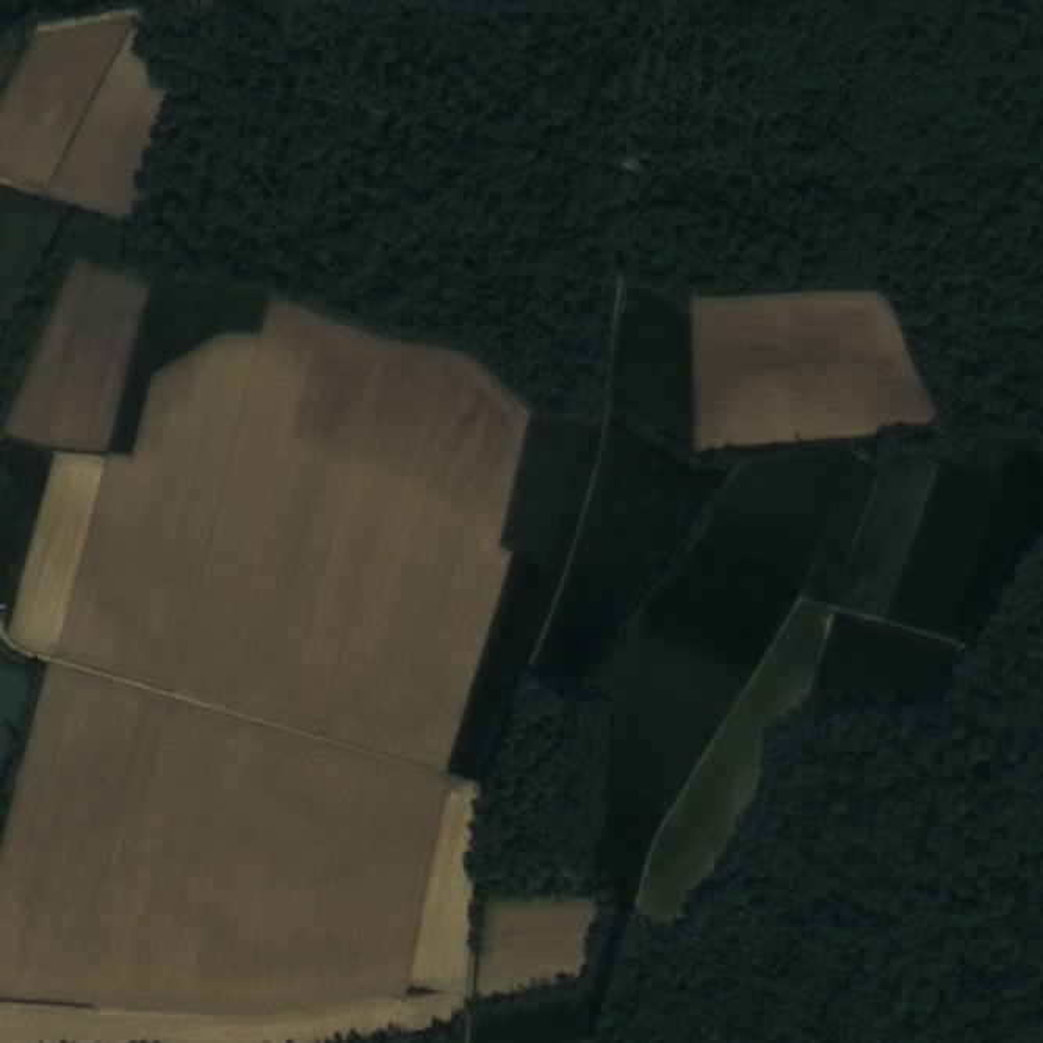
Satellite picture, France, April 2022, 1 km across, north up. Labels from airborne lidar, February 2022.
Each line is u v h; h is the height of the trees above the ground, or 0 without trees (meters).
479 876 20
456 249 26
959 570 0
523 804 29
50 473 0
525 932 0
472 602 0
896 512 0
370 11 13
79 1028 0
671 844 0
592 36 19
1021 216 20
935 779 28
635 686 0
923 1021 20
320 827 0
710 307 0
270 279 22
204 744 0
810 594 0
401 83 27
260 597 0
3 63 0
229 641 0
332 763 0
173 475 0
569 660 0
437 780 0
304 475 0
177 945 0
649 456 0
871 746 20
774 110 20
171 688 0
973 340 12
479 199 25
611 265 25
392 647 0
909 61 22
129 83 0
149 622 0
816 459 0
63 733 0
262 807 0
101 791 0
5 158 0
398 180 24
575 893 25
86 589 0
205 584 0
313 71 25
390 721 0
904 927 36
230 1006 0
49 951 0
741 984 25
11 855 0
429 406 0
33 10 11
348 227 17
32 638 0
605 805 13
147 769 0
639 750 0
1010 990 25
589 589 0
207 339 0
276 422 0
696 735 0
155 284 0
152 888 0
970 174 17
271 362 0
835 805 26
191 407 0
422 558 0
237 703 0
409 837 0
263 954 0
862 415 0
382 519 0
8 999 0
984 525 0
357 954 0
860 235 24
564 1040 0
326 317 0
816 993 21
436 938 0
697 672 0
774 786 12
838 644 0
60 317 0
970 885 30
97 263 0
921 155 21
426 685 0
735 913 23
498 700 0
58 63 0
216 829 0
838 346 0
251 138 27
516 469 0
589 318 27
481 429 0
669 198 7
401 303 22
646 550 0
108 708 0
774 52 23
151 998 0
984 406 14
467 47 25
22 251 0
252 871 0
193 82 22
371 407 0
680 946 19
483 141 21
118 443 0
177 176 25
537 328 16
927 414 0
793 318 0
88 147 0
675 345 0
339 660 0
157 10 21
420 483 0
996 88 23
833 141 24
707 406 0
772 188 21
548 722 22
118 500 0
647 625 0
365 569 0
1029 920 30
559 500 0
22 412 0
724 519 0
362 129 24
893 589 0
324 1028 0
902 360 0
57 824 0
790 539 0
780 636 0
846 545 0
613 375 14
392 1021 0
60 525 0
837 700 0
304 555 0
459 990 0
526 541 0
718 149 19
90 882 0
